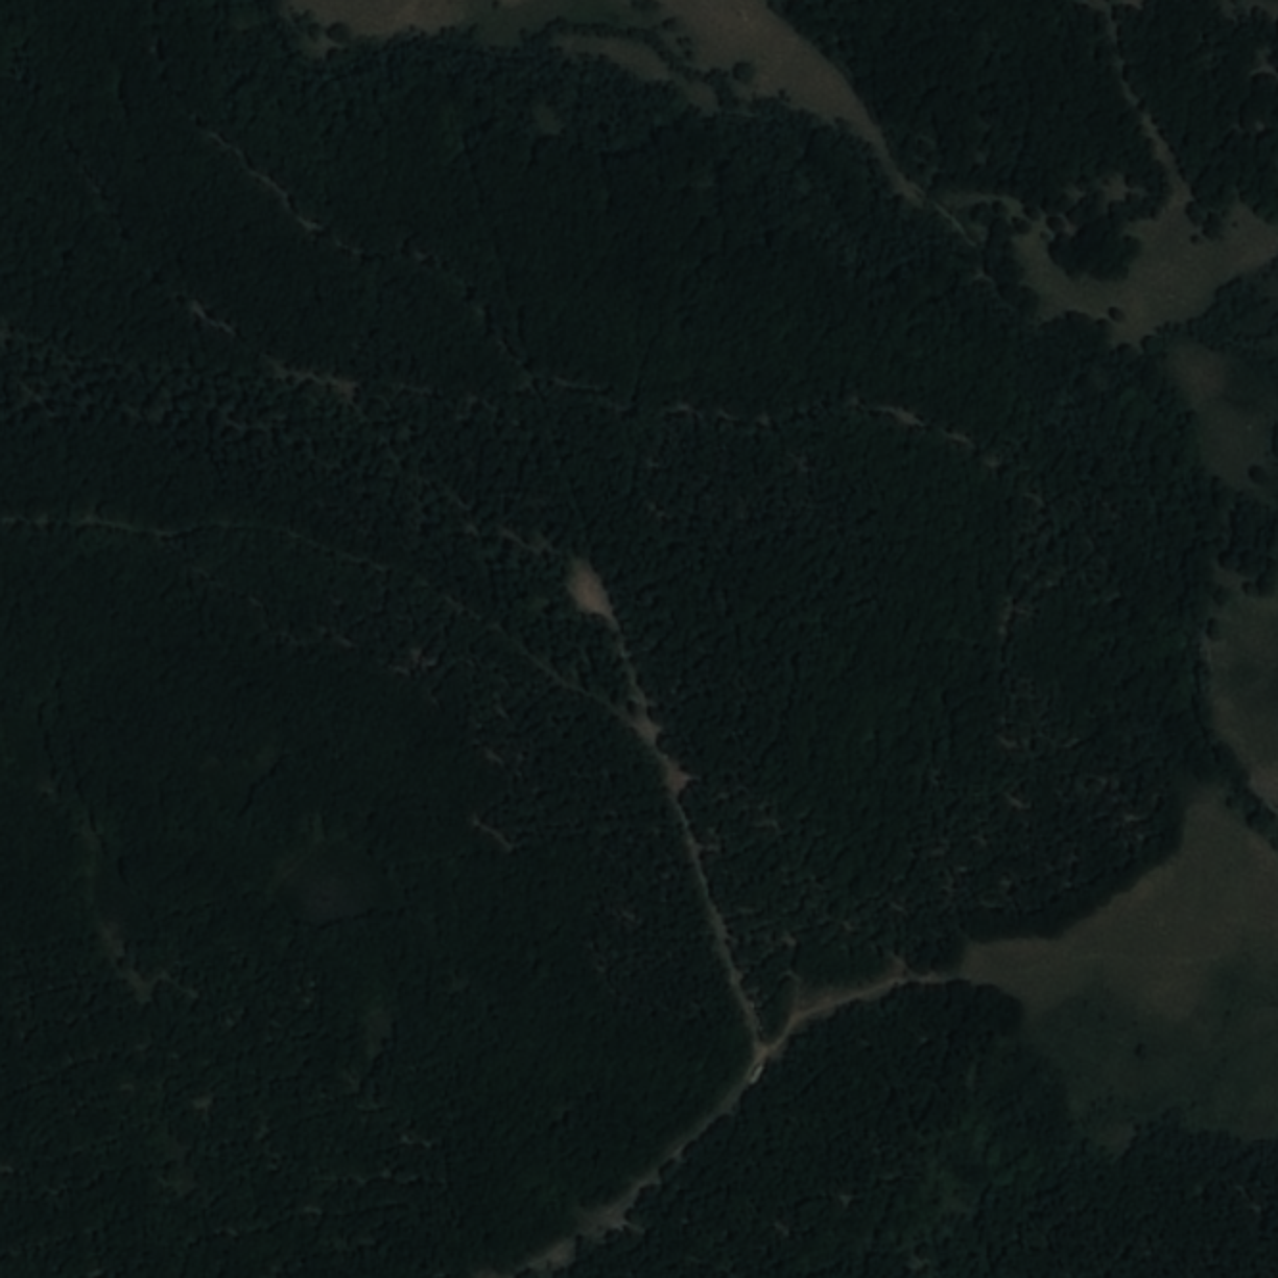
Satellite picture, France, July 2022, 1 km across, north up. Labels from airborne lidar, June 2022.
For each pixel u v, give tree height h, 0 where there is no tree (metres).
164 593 11
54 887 11
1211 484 10
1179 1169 14
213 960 9
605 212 16
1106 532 17
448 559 15
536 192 21
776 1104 13
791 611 16
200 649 11
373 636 11
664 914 15
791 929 13
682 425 16
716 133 17
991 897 16
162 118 21
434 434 16
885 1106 10
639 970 13
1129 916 0
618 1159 14
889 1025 13
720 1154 12
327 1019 11
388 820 7
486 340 22
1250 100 14
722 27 0
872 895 11
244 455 15
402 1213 15
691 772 16
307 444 14
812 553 15
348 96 14
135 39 19
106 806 11
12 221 18
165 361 16
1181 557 5
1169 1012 0
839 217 6
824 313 16
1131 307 0
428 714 11
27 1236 12
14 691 9
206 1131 10
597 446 14
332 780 10
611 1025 12
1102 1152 10
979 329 19
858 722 11
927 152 11
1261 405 0
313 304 14
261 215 17
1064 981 0
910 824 15
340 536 15
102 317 19
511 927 12
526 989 15
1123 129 14
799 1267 16
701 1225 15
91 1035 10
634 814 18
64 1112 11
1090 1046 0
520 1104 14
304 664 12
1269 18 13
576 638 14
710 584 13
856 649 11
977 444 17
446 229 17
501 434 20
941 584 14
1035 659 10
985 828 11
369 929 7
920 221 11
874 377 16
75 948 11
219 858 8
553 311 18
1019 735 12
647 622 14
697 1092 11
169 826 10
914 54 17
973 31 15
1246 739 0
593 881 12
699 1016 13
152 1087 9
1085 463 14
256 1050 9
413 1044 7
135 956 8
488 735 14
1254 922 0
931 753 14
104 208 19
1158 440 14
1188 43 15
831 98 0
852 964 10
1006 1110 6
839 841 11
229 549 8
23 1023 10
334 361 11
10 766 8
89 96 20
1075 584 16
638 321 14
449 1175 15
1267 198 15
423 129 19
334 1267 14
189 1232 12
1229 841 0
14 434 14
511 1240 11
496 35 0
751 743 15
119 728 10
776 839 13
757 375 14
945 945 17
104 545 11
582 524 15
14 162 18
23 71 6
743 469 18
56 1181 10
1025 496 17
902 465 12
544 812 12
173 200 17
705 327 17
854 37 12
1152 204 7
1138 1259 16
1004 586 11
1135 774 13
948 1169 7
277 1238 10
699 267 14
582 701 16
